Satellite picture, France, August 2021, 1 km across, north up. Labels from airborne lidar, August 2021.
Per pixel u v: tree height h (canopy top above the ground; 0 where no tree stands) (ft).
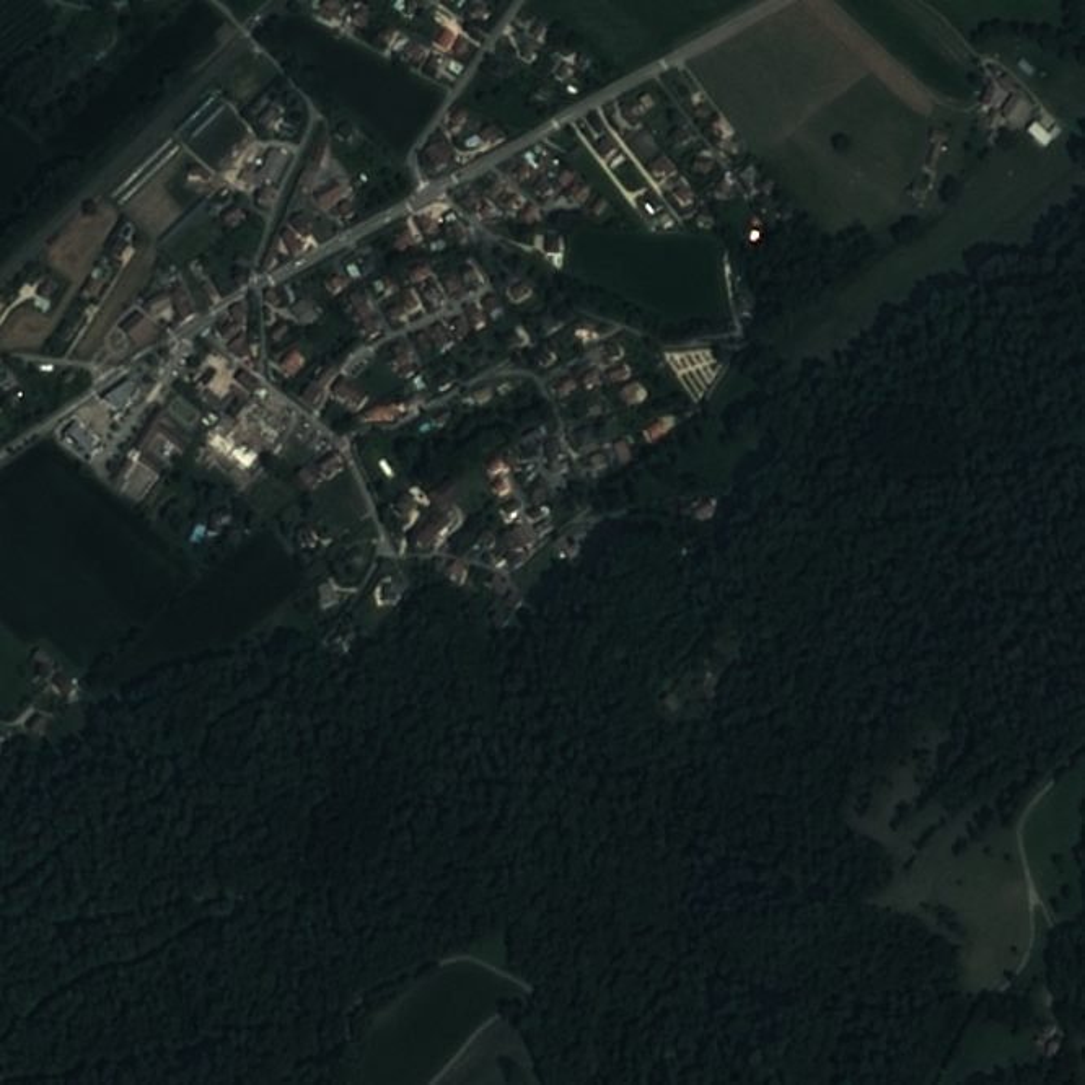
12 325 0
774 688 66
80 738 0
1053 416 77
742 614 77
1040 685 73
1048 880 0
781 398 72
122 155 0
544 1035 77
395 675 54
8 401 46
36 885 81
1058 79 0
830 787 54
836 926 51
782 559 72
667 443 25
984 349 72
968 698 57
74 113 63
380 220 0
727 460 0
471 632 69
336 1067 89
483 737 75
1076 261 109
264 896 68
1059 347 87
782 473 88
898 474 72
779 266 57
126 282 0
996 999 52
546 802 90
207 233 0
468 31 28
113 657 25
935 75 0
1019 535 110
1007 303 88
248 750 66
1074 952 63
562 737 90
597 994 76
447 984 0
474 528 36
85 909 74
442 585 28
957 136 0
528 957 80
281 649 66
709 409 40
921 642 89
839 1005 91
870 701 65
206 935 32
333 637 18
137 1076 89
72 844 51
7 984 60
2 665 0
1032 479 103
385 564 40
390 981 40
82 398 0
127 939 72
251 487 0
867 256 63
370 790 64
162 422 0
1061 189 0
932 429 76
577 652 85
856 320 0
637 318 70
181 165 0
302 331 28
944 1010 68
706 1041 83
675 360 0
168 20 37
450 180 0
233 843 76
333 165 0
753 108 0
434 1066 0
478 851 52
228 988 69
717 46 0
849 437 83
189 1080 91
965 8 0
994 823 48
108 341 0
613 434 52
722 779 98
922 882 0
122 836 60
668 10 0
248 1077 77
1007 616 95
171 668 61
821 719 88
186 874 52
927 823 0
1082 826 0
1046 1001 0
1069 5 45
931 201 0
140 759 73
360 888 83
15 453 31
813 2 0
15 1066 62
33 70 76
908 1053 102
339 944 79
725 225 22
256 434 0
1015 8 0
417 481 31
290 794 52
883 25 0
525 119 0
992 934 0
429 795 65
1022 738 63
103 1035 65
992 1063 0
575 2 0
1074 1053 38
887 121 0
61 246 0
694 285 0
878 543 80
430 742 56
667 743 94
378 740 76
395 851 64
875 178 0
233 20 0
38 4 23
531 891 72
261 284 0
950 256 0
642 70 0
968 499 82
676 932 100
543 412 73
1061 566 99
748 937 61
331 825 72
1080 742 63
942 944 54
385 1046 0
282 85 38
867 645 84
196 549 25
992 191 0
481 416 35
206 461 0
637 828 85
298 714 65
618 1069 28
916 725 88
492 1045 0
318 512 61
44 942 85
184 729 83
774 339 60
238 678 68
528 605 0
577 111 0
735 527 67
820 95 0
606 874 72
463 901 81
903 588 90
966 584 105
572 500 29
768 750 71
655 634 33
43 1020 46
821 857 83
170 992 26
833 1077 90
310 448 0
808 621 54
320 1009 85
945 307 88
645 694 32
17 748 54
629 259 0
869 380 73
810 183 0
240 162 0
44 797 84
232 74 0
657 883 103
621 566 100
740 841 97
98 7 89
